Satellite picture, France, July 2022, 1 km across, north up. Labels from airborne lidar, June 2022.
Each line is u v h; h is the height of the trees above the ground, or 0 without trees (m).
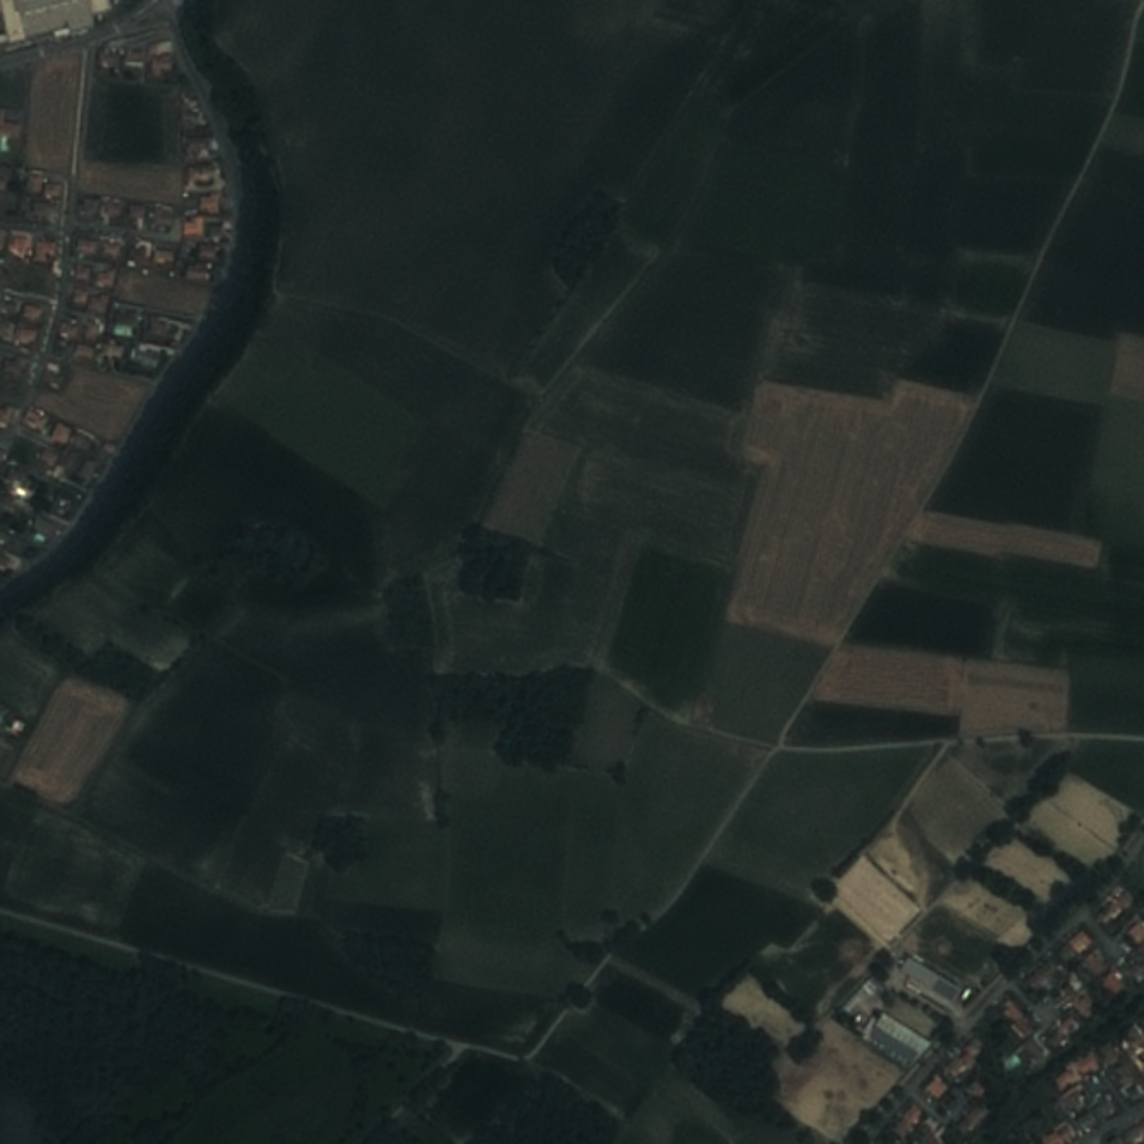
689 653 0
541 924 0
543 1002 0
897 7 0
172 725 0
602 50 0
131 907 0
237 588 0
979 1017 0
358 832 13
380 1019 0
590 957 18
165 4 0
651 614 0
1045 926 20
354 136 0
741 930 0
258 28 0
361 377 0
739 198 0
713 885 0
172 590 0
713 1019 14
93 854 0
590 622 0
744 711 0
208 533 0
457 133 0
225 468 0
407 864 0
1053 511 0
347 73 0
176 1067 12
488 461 0
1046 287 0
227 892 0
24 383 0
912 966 0
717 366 0
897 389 0
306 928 0
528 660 0
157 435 22
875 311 0
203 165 0
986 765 0
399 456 0
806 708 0
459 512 0
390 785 0
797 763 0
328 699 0
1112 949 0
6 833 0
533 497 0
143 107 0
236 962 0
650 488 0
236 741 0
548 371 0
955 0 0
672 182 0
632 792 0
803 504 0
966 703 0
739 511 0
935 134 0
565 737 19
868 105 0
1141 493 0
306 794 0
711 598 0
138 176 0
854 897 0
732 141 0
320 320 0
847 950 0
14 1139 0
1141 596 0
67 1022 12
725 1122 0
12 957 18
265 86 0
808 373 0
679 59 0
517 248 0
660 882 0
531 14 0
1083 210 0
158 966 17
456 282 0
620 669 0
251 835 0
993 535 0
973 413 0
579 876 0
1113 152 0
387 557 0
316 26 0
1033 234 0
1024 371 0
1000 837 15
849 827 0
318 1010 10
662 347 0
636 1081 0
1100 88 0
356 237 0
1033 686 0
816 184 0
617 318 0
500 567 19
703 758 0
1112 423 0
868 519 0
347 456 0
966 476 0
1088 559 0
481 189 0
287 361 0
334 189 0
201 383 22
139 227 0
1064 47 0
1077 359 0
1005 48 0
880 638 0
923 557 0
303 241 0
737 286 0
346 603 0
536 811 0
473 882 0
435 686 15
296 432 0
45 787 0
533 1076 0
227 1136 0
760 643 0
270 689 0
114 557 0
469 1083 0
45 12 0
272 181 15
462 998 0
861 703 0
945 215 0
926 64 0
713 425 0
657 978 0
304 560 10
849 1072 0
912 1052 0
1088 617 0
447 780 0
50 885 0
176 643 0
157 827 0
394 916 0
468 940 0
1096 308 0
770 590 0
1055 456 0
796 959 0
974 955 0
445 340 0
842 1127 0
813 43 0
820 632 0
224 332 24
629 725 0
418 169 0
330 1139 0
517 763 17
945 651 0
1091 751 0
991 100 0
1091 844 0
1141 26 0
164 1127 9
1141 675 0
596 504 0
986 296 0
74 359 0
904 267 0
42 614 0
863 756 0
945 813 0
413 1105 10
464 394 0
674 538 0
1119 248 0
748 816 0
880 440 0
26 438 0
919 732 0
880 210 0
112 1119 7
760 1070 23
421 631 8
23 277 0
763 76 0
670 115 0
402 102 0
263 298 20
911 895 0
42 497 9
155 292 0
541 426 0
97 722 0
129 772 0
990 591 0
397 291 0
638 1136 0
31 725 0
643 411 0
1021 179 0
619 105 0
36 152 0
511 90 0
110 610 0
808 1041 10
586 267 14
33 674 0
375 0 0
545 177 0
